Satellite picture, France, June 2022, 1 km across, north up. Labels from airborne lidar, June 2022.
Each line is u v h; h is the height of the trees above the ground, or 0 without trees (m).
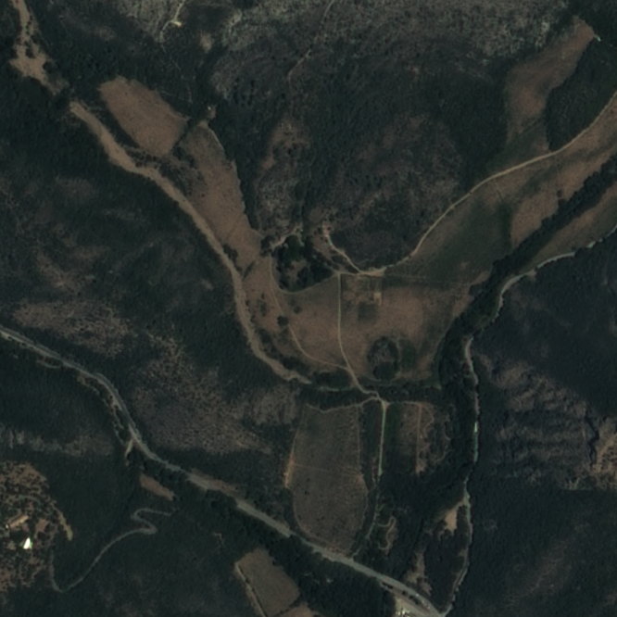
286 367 13
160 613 7
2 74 7
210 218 0
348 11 0
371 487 6
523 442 8
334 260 7
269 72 0
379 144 5
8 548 7
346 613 21
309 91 7
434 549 12
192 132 0
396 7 0
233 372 7
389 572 9
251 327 0
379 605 17
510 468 7
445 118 10
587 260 9
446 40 0
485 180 0
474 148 7
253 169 6
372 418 10
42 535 9
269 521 0
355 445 0
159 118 0
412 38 0
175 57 7
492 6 0
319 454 0
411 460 6
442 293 0
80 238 5
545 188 0
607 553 7
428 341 0
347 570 10
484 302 15
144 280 7
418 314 0
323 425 0
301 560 14
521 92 0
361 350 0
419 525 11
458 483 19
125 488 9
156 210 7
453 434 11
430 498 17
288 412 0
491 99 8
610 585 7
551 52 0
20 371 12
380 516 7
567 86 8
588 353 6
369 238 0
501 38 0
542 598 10
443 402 12
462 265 0
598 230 0
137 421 6
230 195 0
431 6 0
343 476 0
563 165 0
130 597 7
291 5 0
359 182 12
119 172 12
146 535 6
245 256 0
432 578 13
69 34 6
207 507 14
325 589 18
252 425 6
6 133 11
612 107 0
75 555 7
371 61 0
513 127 0
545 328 7
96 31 0
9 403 8
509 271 11
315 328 0
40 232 6
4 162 7
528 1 0
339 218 7
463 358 6
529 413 9
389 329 0
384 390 8
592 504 6
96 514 6
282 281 0
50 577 6
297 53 8
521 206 0
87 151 14
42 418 6
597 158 0
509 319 7
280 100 7
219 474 11
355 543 6
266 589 0
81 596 6
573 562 6
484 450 13
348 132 5
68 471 6
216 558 6
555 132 8
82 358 9
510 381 0
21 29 9
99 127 0
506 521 6
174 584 7
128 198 6
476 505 9
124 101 0
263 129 9
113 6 0
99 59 8
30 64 0
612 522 7
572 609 7
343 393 7
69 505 7
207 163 0
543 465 5
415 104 7
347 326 0
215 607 0
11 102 9
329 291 0
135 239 6
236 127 6
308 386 7
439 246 0
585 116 9
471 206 0
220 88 0
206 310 6
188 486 13
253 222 7
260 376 6
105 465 10
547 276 6
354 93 7
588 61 9
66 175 8
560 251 0
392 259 7
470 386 13
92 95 5
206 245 5
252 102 13
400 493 12
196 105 8
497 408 9
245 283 0
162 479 12
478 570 11
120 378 10
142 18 0
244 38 0
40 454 7
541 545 6
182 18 0
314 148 9
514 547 7
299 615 0
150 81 8
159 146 0
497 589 8
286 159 0
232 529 13
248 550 13
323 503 0
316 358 0
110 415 8
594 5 6
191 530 9
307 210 9
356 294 0
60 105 6
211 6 0
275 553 15
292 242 21
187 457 11
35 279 7
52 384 6
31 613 8
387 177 8
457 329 13
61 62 8
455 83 6
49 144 11
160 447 6
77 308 0
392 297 0
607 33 9
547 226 10
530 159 0
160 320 6
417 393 8
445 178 6
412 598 10
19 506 6
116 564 7
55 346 11
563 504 5
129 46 0
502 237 0
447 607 9
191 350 7
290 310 0
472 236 0
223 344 10
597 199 10
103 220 7
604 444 0
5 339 7
